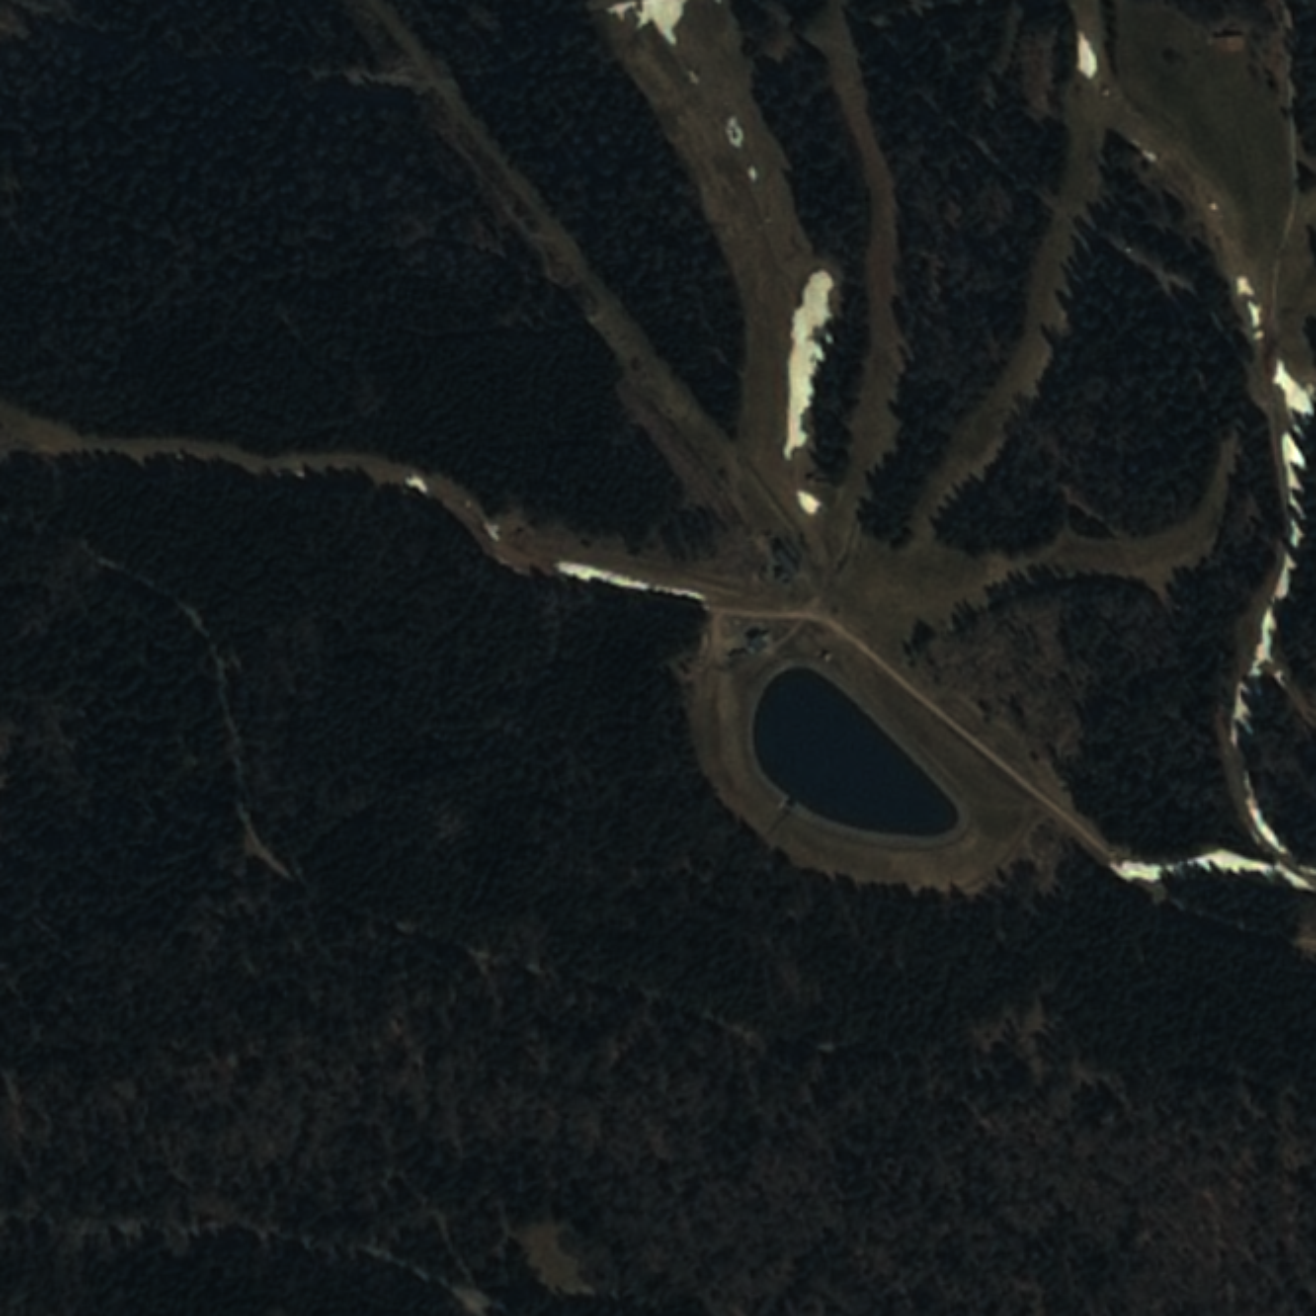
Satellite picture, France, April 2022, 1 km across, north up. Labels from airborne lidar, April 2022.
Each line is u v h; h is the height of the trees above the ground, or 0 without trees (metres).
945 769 0
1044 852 0
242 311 15
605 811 15
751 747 0
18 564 20
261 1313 26
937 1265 27
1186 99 0
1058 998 14
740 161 0
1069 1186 26
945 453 11
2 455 0
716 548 17
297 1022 24
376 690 21
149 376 23
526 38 28
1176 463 36
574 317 10
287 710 17
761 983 22
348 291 19
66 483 19
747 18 20
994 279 31
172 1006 24
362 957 14
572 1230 18
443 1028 30
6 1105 15
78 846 23
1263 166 0
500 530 0
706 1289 8
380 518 18
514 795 18
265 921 16
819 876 13
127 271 32
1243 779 0
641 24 0
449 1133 30
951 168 13
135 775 11
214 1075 28
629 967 20
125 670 17
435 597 18
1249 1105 16
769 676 0
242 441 16
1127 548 0
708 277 7
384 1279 21
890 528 19
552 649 22
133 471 20
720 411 19
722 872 8
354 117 20
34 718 13
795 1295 11
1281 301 0
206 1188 30
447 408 14
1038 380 0
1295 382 0
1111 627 33
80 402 23
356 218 24
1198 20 13
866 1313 25
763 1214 24
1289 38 0
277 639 18
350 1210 9
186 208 27
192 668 22
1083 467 27
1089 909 17
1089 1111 22
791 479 0
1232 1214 23
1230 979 23
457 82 0
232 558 22
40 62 17
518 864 21
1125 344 6
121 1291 26
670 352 15
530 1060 23
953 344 27
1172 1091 20
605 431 19
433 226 27
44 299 13
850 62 0
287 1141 25
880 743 0
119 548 21
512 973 16
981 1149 32
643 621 20
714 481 0
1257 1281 26
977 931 23
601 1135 6
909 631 0
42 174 30
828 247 31
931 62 24
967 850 0
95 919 23
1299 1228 22
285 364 20
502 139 14
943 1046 17
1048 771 0
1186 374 26
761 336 0
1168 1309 27
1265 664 0
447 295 13
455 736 20
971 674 0
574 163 14
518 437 14
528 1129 26
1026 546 17
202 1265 23
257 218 34
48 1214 26
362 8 0
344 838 16
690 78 0
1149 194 7
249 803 18
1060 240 0
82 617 21
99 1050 11
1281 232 0
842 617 0
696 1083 26
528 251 13
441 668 20
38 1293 21
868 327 9
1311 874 0
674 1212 30
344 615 19
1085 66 0
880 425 0
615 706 19
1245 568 31
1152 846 24
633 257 8
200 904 17
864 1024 25
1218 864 0
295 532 21
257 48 33
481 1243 20
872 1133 7
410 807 16
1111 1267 33
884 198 0
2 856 18
